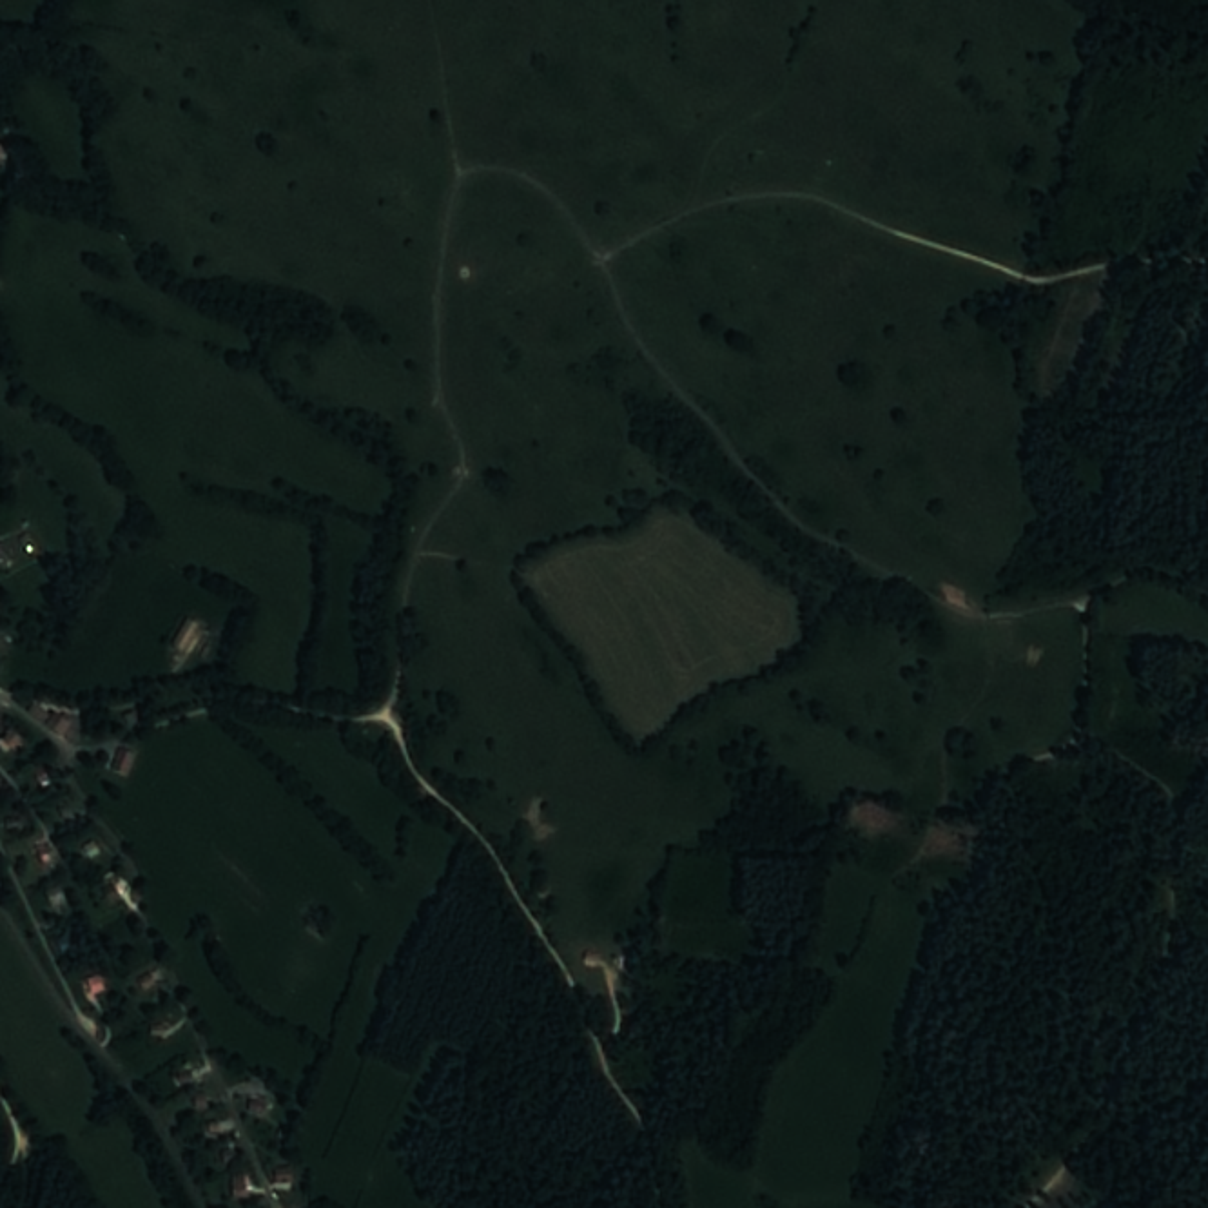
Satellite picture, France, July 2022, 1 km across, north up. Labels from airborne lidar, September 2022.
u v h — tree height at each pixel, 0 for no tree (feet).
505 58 0
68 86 21
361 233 0
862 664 0
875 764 0
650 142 0
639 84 0
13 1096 53
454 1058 81
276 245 0
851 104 0
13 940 0
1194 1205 48
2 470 61
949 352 0
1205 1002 108
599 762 0
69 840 56
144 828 0
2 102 64
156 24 0
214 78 0
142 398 0
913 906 0
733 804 20
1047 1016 30
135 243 29
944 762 0
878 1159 19
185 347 0
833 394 0
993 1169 50
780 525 23
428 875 0
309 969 0
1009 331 74
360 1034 0
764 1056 31
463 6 0
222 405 0
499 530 0
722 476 23
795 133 0
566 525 0
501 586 0
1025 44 0
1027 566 19
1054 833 43
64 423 58
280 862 0
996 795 90
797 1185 0
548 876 31
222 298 26
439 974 75
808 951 91
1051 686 0
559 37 0
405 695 38
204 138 0
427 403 0
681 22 41
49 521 0
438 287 0
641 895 0
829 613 55
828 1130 0
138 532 71
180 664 0
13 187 59
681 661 0
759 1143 44
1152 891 84
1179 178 0
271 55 0
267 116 0
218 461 0
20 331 0
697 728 0
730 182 0
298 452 0
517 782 0
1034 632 0
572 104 0
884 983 0
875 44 0
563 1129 81
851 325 0
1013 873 67
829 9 0
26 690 53
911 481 0
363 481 0
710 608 0
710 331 45
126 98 0
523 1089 74
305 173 0
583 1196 60
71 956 38
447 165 0
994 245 0
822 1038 0
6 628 29
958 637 0
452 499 0
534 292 0
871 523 0
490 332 0
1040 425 70
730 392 0
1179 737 70
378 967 0
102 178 48
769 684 28
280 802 0
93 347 0
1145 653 103
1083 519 94
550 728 0
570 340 0
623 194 0
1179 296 94
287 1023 33
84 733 30
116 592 0
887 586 22
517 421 0
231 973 71
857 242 0
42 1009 0
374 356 0
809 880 74
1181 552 79
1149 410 76
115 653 0
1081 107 71
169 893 0
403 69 0
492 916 71
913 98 0
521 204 0
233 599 76
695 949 0
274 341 25
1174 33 38
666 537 0
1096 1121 68
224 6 0
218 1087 0
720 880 0
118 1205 0
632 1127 72
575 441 0
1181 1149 88
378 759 43
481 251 0
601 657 0
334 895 0
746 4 0
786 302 0
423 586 0
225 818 0
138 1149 40
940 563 0
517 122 0
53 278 0
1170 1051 115
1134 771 42
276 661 0
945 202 0
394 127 0
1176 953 22
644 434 32
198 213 0
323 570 64
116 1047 19
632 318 0
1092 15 26
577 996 47
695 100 0
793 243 0
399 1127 0
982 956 73
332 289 0
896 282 0
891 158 0
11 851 0
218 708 58
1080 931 64
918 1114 68
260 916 0
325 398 0
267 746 35
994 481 0
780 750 0
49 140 0
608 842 0
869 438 0
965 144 0
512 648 0
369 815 0
